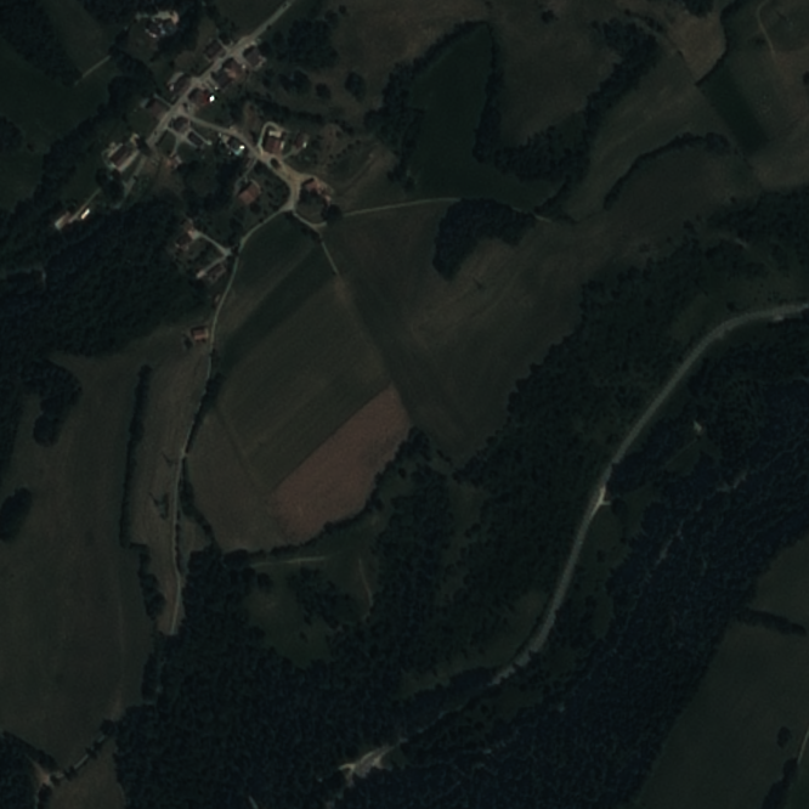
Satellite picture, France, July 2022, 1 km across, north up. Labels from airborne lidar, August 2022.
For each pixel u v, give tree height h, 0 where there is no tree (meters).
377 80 0
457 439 0
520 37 0
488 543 8
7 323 24
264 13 0
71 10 0
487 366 0
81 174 0
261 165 10
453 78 0
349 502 0
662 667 9
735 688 0
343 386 0
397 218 0
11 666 0
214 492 0
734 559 13
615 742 12
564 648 11
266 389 0
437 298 0
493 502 15
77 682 0
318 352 0
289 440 0
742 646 0
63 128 0
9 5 17
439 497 15
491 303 0
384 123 12
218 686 22
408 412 0
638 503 0
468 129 0
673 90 0
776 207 10
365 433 0
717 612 16
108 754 0
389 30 0
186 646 19
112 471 0
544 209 7
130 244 13
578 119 0
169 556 0
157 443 0
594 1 0
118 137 0
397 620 21
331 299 0
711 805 0
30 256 9
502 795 14
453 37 11
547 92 0
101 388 0
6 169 0
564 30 0
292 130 0
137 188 0
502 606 14
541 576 8
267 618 0
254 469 0
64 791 0
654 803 0
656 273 10
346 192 0
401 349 0
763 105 0
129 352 0
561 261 0
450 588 0
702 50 0
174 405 0
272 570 0
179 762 34
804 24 0
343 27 0
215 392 13
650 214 0
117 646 0
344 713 29
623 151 0
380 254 0
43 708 0
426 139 0
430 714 25
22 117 0
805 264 7
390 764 0
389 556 7
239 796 36
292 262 0
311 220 0
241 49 0
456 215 21
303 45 17
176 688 22
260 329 0
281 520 0
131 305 8
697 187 0
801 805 0
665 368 7
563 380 13
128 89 24
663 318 8
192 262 7
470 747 14
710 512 19
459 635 10
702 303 0
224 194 15
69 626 0
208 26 0
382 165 0
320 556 0
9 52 0
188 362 0
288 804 13
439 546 8
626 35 18
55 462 0
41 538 0
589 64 0
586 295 8
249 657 27
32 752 18
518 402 17
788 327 14
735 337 0
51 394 13
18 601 0
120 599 0
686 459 0
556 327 0
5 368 21
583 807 13
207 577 27
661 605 19
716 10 0
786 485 15
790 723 0
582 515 7
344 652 8
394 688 17
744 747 0
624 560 0
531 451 12
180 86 0
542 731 24
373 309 0
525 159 13
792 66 0
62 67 12
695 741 0
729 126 0
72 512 0
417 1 0
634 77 18
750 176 0
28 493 16
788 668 0
